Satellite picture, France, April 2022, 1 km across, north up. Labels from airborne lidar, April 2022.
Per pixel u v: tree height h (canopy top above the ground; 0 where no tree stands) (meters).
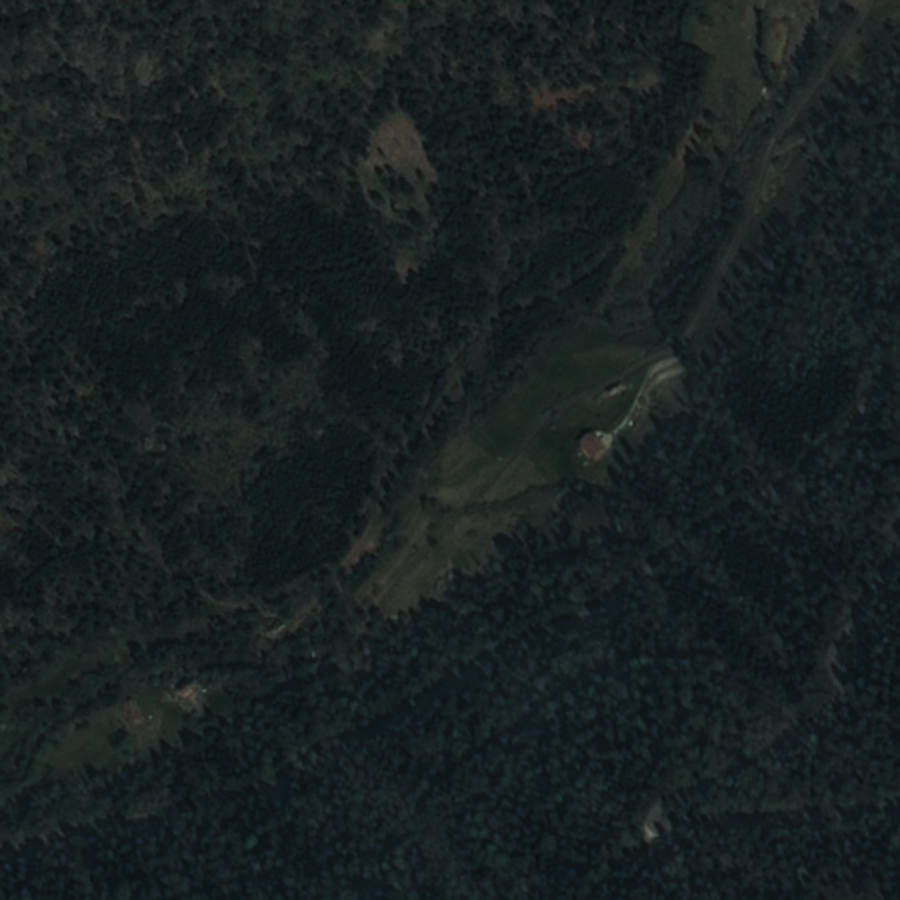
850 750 31
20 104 30
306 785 9
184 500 22
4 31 31
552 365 0
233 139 15
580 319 19
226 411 17
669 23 33
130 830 20
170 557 10
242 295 15
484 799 8
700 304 35
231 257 21
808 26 0
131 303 21
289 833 7
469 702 32
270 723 29
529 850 33
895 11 0
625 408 0
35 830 21
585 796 27
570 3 7
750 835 30
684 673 20
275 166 12
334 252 22
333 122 31
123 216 9
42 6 33
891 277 15
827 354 17
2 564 24
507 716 25
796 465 17
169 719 0
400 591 0
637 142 13
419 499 0
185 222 20
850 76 0
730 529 17
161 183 20
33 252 9
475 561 0
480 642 26
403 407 14
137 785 28
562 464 0
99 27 15
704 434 26
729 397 20
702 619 22
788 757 22
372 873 25
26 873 36
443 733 28
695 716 19
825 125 23
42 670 16
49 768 0
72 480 30
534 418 0
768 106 15
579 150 10
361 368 14
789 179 0
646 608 27
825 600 37
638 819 20
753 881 25
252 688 26
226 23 27
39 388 37
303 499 23
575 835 27
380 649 16
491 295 12
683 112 12
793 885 27
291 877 17
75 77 35
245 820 28
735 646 23
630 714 26
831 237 20
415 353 13
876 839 21
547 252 18
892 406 25
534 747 27
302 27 22
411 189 30
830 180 32
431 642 36
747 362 19
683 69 26
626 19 31
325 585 25
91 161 21
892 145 13
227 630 29
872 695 34
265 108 24
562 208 14
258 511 22
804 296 24
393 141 0
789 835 25
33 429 19
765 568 16
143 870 18
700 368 17
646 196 12
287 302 14
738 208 33
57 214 11
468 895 34
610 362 0
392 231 19
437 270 16
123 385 19
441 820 25
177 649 19
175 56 30
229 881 25
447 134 24
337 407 19
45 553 17
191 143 24
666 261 12
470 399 19
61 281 24
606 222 15
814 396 19
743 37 0
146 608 29
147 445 25
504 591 24
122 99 26
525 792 23
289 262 18
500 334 16
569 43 23
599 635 9
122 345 18
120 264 19
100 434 29
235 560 14
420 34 24
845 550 21
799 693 14
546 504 0
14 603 18
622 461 0
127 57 21
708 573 25
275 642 8
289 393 14
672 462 9
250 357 5
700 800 25
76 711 15
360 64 31
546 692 30
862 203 23
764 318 12
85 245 40
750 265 0
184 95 30
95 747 0
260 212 20
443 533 0
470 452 0
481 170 30
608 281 16
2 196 20
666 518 17
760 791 29
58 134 30
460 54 14
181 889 26
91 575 20
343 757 7
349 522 16
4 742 15
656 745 22
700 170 30
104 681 23
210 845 35
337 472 17
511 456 0
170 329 12
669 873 32
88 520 36
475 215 8
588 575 26
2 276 21
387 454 8
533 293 16
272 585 14
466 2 14
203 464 9
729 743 30
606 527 0
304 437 19
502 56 17
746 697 18
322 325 17
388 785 26
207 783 23
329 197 10
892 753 32
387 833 32
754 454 23
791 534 12
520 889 19
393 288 22
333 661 13
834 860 30
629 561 24
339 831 16
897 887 27
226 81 17
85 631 18
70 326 21
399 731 23
